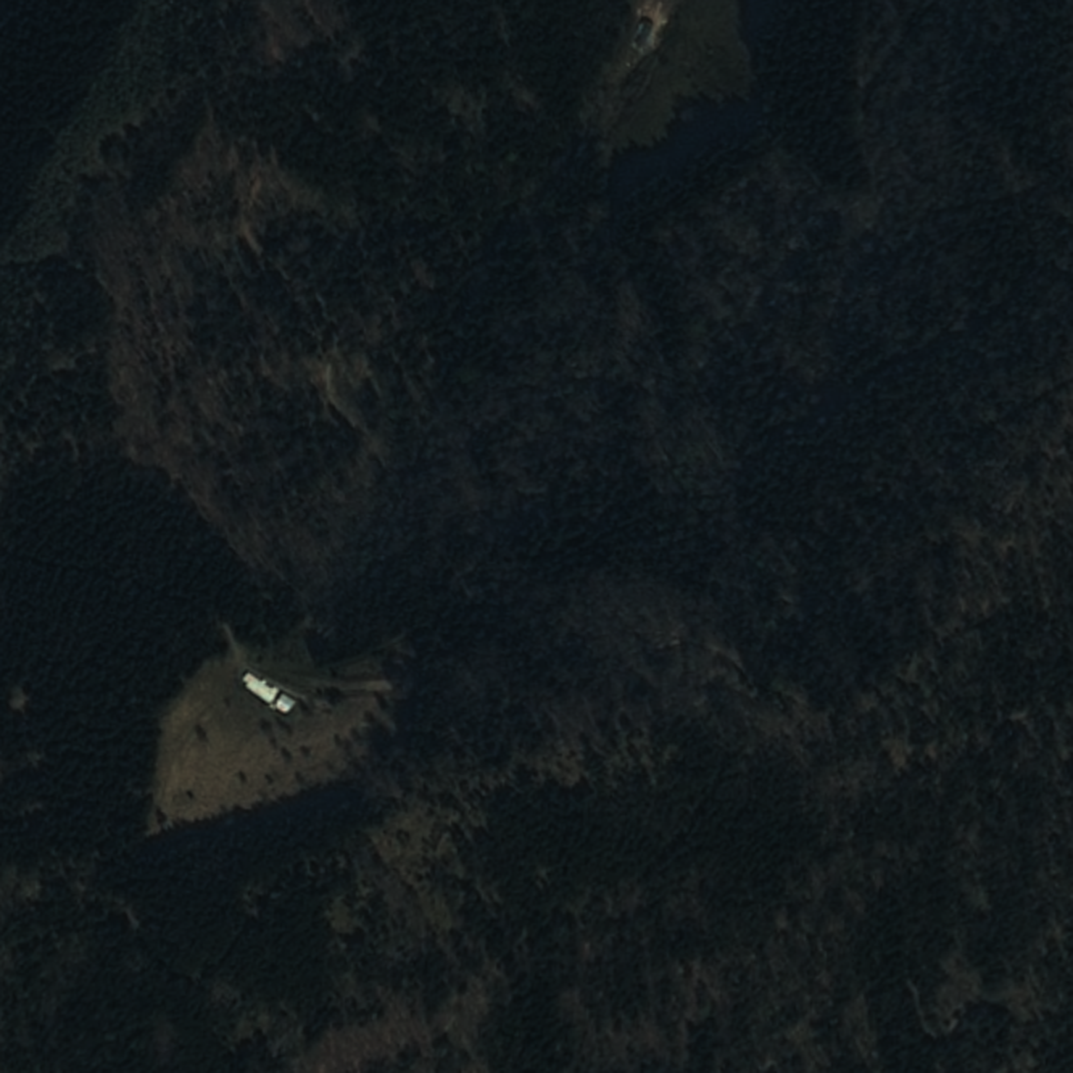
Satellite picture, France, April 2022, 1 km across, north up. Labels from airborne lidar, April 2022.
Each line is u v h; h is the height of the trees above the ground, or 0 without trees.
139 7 22
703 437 30
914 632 19
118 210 21
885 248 23
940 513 25
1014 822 24
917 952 28
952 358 20
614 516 27
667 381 32
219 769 0
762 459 24
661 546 27
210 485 21
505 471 26
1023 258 27
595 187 35
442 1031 22
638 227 39
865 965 33
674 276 30
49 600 25
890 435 28
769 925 23
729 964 16
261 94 35
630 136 0
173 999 23
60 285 23
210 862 22
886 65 14
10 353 22
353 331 31
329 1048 24
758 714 21
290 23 25
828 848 18
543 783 23
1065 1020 27
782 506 27
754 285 21
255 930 29
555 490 16
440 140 38
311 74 24
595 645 17
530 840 28
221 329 29
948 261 27
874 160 19
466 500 28
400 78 31
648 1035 19
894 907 33
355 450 25
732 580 27
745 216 24
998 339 16
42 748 21
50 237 19
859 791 25
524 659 26
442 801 8
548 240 21
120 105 15
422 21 22
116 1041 21
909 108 20
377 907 25
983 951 28
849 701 28
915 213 27
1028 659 26
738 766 25
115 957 26
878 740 27
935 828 26
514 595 29
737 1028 24
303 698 0
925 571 20
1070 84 26
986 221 29
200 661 24
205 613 24
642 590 23
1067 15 24
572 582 25
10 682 21
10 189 22
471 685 27
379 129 17
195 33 22
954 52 14
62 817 26
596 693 17
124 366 21
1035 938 20
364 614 27
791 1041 29
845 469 29
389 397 33
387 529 32
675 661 14
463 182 31
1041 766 24
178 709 0
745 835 30
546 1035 26
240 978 26
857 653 22
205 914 20
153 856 24
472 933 24
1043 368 16
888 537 24
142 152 20
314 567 31
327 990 27
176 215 27
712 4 0
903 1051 28
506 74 27
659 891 24
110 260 19
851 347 25
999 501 25
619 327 27
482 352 29
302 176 31
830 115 33
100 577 23
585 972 24
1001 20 20
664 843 23
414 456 34
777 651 29
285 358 31
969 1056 27
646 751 10
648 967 21
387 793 15
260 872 19
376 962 26
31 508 28
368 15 33
